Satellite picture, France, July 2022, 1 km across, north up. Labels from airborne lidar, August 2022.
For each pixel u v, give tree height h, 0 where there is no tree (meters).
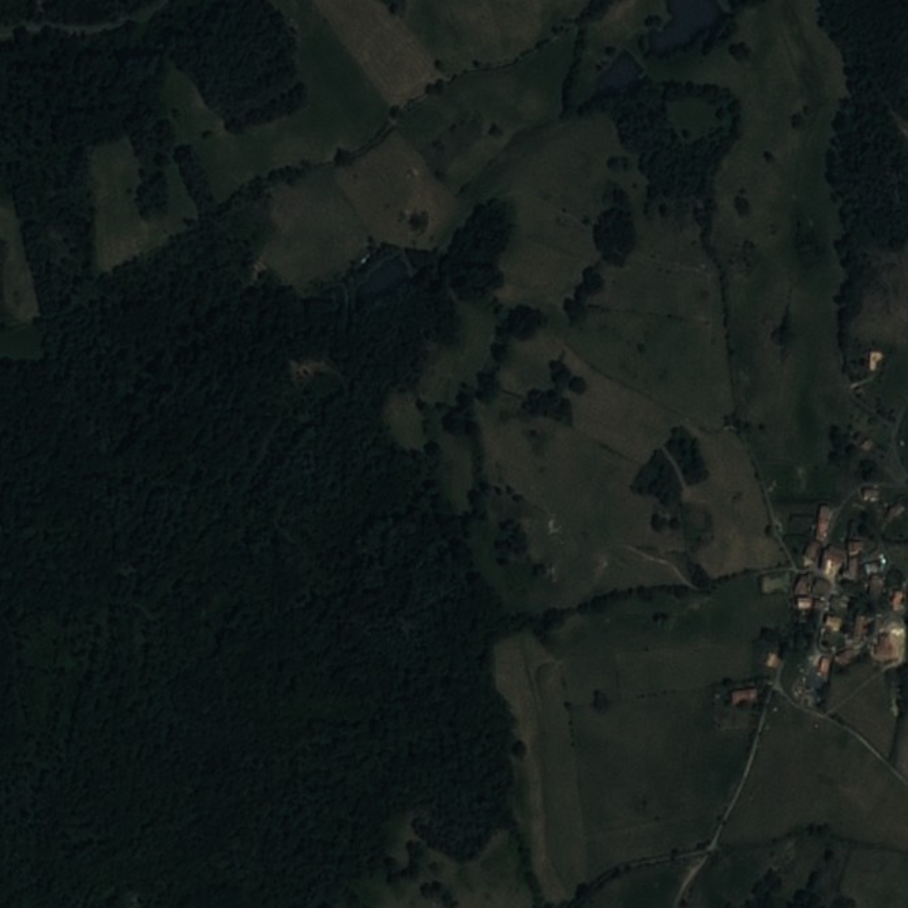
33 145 6
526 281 0
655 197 15
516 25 0
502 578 0
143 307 27
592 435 0
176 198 0
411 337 18
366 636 22
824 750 0
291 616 22
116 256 0
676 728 0
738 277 0
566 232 0
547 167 0
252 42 20
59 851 12
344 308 18
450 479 0
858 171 18
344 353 23
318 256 0
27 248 10
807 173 0
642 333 0
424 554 23
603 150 0
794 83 0
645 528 0
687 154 7
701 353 0
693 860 0
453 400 0
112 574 15
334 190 0
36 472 17
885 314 0
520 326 23
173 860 15
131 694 20
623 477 0
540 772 0
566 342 0
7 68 20
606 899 0
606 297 0
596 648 0
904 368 0
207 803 15
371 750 15
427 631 25
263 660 19
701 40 10
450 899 14
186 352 27
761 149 0
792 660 0
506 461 0
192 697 17
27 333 0
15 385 12
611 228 9
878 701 0
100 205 0
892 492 0
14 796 15
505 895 0
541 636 11
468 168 0
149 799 15
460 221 0
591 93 0
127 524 21
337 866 18
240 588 16
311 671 13
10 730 12
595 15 11
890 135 7
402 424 0
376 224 0
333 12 0
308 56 0
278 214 0
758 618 0
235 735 20
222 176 0
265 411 19
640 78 0
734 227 0
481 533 0
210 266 9
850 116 9
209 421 21
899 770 0
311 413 7
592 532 0
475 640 19
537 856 0
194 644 16
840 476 0
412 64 0
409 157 0
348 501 6
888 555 0
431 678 23
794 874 0
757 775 0
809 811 0
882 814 0
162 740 11
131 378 28
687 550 0
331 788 15
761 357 0
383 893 0
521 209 0
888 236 8
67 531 17
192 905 14
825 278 0
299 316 26
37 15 12
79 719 16
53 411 23
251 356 26
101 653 17
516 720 15
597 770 0
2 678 16
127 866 13
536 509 0
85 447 24
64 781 14
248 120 12
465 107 0
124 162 0
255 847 16
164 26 8
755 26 0
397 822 0
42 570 15
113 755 14
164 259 7
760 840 0
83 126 19
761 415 0
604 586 0
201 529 14
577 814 0
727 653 0
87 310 6
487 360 0
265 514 7
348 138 0
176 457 22
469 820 14
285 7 0
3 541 16
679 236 0
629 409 0
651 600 8
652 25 15
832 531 0
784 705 0
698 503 0
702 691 0
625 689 0
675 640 0
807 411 0
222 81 18
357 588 19
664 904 0
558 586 0
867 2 15
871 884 0
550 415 6
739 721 0
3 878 13
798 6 0
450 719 16
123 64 33
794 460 0
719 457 0
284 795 18
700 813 0
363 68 0
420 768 19
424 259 15
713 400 0
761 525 0
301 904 10
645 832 0
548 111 0
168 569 21
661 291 0
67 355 14
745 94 0
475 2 0
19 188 15
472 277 22
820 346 0
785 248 0
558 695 0
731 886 0
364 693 16
